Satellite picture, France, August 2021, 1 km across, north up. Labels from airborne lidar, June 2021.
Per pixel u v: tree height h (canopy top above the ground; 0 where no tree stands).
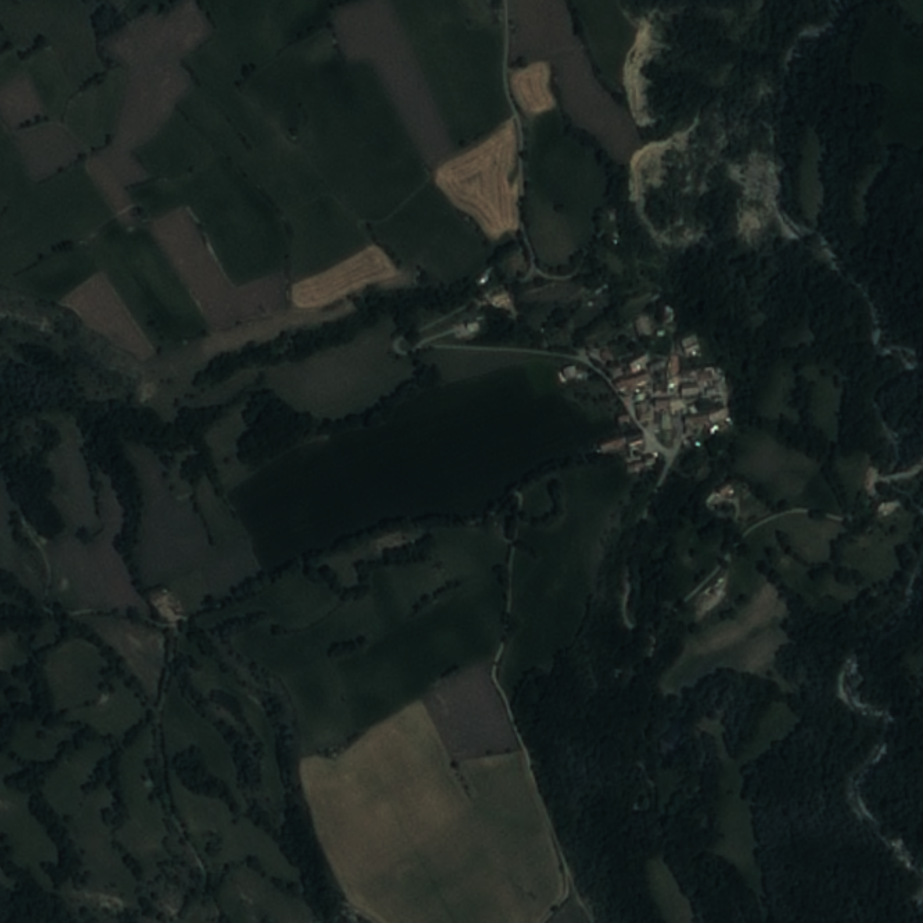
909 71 0
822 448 14
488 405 0
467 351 0
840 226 21
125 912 7
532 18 0
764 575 16
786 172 6
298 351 20
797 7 22
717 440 17
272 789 0
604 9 0
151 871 0
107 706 0
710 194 8
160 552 0
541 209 0
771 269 17
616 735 17
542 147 0
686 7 7
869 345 12
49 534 12
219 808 0
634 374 0
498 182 0
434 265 0
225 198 0
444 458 0
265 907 0
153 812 0
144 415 10
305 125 0
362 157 0
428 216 0
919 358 9
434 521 16
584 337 7
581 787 15
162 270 0
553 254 0
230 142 0
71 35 0
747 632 0
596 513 0
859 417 23
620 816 14
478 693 0
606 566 9
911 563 25
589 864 12
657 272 13
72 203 0
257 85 0
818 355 13
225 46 0
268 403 19
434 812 0
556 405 0
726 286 10
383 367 0
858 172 21
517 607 0
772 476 0
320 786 0
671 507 24
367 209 0
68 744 11
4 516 0
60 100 0
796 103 27
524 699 19
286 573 17
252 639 0
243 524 0
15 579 12
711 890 20
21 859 0
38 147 0
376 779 0
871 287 20
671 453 0
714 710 13
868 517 6
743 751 14
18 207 0
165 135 0
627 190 13
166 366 0
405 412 0
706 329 19
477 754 0
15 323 8
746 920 13
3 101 0
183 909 7
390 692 0
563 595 0
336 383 0
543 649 0
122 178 0
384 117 0
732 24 6
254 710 0
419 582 0
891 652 27
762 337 12
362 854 0
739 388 9
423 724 0
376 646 0
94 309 0
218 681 0
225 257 0
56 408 10
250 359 20
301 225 0
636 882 15
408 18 0
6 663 0
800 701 14
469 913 0
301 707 0
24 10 0
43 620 10
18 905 20
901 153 21
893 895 20
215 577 0
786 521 0
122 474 25
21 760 13
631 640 13
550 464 11
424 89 0
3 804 0
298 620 0
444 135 0
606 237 10
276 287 0
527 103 0
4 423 9
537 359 0
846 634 22
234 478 0
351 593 12
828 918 18
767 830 22
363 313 9
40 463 13
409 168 0
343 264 0
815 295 20
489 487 0
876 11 16
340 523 0
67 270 0
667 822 17
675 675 0
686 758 15
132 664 0
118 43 0
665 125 6
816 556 0
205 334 8
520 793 0
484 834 0
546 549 0
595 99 0
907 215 22
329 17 0
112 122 0
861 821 15
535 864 0
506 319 6
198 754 10
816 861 15
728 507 7
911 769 18
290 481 0
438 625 0
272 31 0
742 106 7
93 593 0
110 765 10
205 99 0
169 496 0
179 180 0
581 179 0
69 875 10
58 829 10
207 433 9
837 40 27
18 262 0
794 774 20
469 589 0
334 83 0
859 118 24
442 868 0
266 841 0
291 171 0
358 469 0
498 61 0
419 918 0
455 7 0
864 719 16
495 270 6
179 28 0
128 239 0
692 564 0
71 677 0
